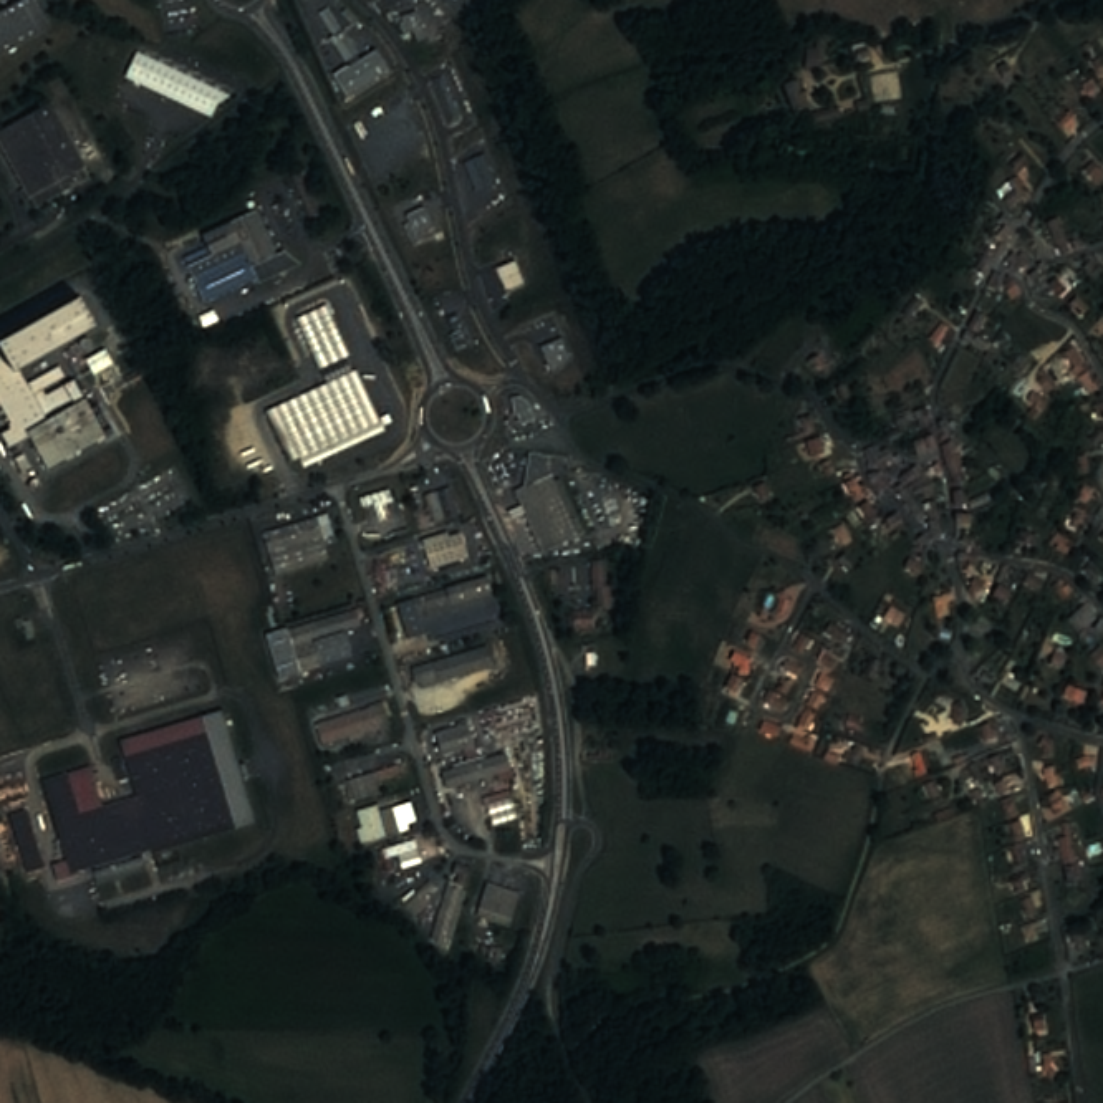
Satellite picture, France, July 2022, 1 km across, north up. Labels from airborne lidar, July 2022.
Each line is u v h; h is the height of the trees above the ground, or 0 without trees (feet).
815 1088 0
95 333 0
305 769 0
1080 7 69
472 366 0
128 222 48
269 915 0
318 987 0
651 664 0
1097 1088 0
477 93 0
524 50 69
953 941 0
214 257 0
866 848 0
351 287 0
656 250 0
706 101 56
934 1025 0
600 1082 53
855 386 32
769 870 27
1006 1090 0
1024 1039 39
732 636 0
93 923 0
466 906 22
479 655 0
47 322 0
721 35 82
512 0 83
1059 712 35
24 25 0
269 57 0
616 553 45
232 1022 0
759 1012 46
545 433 0
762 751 0
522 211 0
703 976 0
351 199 0
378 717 0
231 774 0
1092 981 0
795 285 69
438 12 0
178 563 0
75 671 0
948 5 0
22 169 0
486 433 0
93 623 0
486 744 0
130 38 45
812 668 0
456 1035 55
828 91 43
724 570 0
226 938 0
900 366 0
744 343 57
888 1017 0
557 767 0
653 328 82
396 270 0
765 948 59
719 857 25
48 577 0
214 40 0
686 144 43
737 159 82
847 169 49
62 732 0
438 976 46
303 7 0
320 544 0
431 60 0
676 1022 33
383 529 0
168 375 37
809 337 0
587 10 0
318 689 0
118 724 0
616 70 0
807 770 0
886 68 0
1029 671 31
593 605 26
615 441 0
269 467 0
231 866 0
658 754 62
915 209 48
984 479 0
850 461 0
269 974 0
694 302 77
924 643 0
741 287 74
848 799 0
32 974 40
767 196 0
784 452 0
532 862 0
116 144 0
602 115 0
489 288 0
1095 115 40
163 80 0
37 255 0
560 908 0
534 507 0
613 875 0
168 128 0
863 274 89
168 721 0
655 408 0
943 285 0
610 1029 58
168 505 0
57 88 0
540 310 0
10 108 45
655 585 0
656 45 79
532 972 0
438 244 0
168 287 41
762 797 0
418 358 0
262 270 0
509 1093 61
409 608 0
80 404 0
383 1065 0
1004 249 0
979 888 0
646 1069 49
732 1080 0
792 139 60
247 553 0
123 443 0
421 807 0
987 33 52
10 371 0
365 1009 0
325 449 0
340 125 0
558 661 0
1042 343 0
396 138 0
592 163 0
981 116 31
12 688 0
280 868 39
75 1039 55
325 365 0
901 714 38
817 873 0
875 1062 0
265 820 0
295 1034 0
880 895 0
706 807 0
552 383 0
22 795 0
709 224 0
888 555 0
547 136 91
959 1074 0
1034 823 0
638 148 0
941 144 65
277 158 54
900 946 0
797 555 0
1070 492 18
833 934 49
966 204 80
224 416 0
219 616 0
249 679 0
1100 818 0
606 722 52
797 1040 0
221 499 29
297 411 0
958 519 0
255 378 0
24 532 44
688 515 0
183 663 0
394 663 0
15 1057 0
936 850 0
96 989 43
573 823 0
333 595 0
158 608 0
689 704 47
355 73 0
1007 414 52
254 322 38
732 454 0
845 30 62
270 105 56
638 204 0
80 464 0
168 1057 0
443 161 0
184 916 0
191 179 52
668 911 0
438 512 0
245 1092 0
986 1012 0
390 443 0
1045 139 26
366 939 0
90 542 45
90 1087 0
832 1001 0
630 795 0
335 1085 0
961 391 0
